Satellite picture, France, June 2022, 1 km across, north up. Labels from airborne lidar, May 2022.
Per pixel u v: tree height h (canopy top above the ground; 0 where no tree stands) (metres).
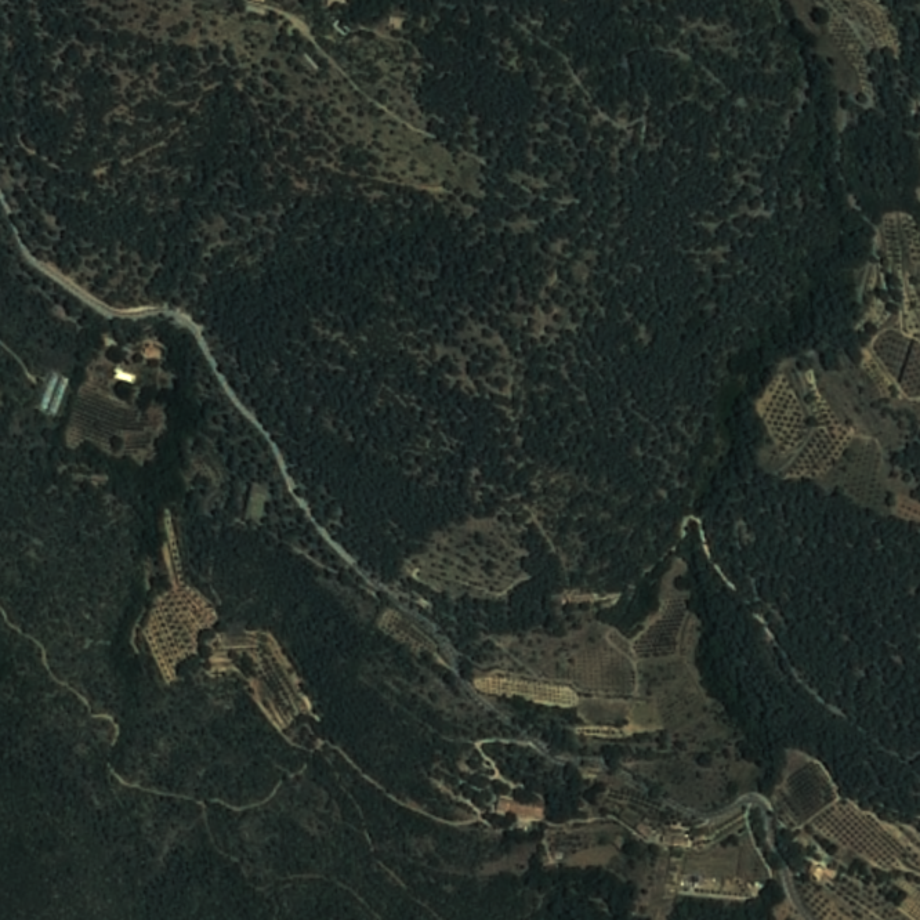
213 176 14
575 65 10
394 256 17
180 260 17
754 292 14
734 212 17
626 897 17
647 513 13
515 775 13
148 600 8
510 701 8
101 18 11
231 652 8
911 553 8
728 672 22
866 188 11
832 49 0
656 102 6
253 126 6
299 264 10
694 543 8
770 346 13
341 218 14
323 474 16
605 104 11
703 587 18
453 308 13
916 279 7
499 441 15
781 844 13
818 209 15
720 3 14
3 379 9
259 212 13
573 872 11
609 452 16
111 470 9
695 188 13
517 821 8
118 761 7
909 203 10
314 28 6
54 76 12
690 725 0
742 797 0
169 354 12
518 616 10
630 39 15
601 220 14
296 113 6
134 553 13
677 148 6
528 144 15
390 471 16
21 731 6
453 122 14
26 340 9
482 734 7
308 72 7
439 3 11
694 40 10
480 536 11
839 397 0
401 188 12
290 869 6
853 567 15
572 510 14
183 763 6
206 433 17
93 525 8
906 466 15
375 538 14
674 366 17
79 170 6
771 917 10
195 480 9
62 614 9
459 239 14
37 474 8
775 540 14
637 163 13
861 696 14
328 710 12
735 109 16
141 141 6
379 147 6
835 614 9
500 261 6
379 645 6
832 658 15
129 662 8
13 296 7
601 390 12
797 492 14
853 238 16
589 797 14
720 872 0
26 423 6
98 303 0
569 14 15
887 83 9
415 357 6
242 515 13
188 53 16
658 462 12
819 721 15
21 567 11
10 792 8
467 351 12
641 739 9
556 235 13
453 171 7
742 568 6
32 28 14
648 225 13
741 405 21
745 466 16
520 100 16
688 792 0
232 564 7
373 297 8
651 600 17
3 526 7
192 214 17
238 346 13
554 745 14
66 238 12
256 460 15
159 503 21
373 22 6
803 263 16
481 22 13
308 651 6
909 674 15
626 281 14
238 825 6
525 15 8
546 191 7
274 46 7
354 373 15
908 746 18
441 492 12
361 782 7
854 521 18
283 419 16
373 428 16
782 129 9
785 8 13
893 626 13
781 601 16
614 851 0
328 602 10
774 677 14
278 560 9
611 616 11
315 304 12
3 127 14
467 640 11
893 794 16
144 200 11
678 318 15
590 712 0
